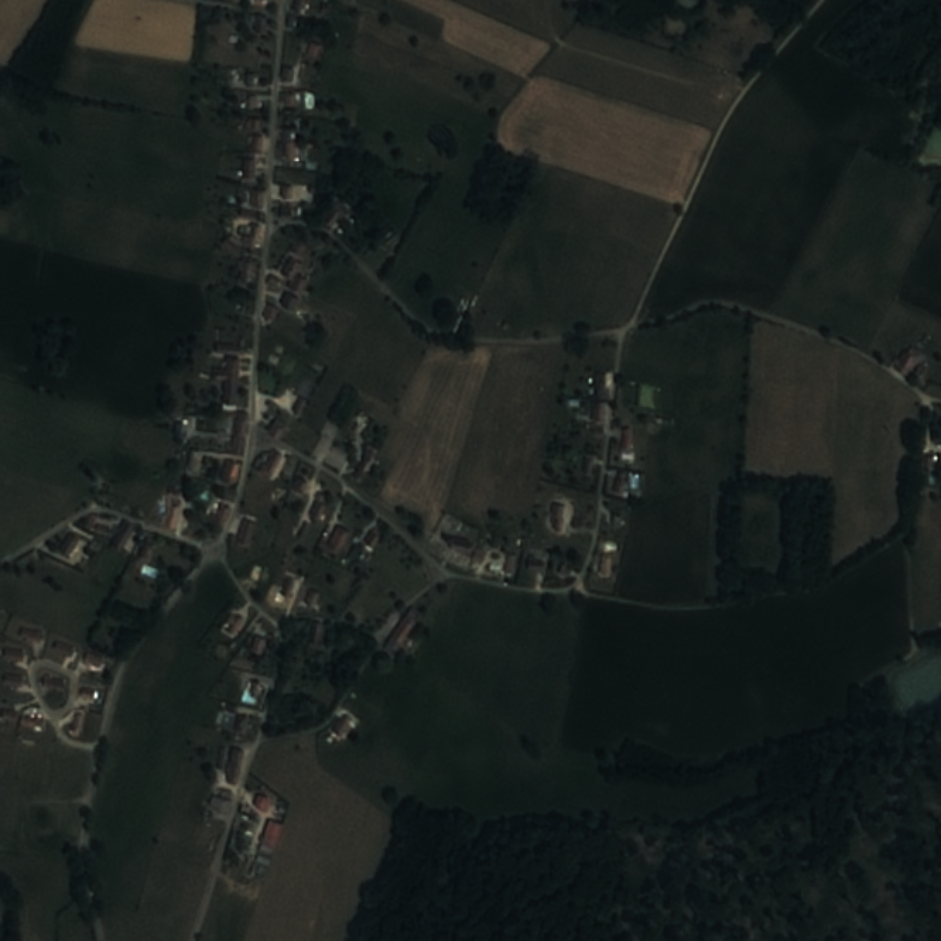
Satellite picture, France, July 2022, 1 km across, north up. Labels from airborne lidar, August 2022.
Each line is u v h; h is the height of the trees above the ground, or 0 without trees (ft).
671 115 0
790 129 0
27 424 0
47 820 0
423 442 0
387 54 0
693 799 0
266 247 0
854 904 74
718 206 0
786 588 55
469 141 0
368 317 0
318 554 18
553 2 0
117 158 0
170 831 0
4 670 0
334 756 0
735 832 76
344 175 55
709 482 0
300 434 0
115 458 0
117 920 0
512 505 0
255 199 0
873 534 0
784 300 0
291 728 19
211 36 0
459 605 0
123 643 65
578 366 0
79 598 0
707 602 22
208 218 0
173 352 31
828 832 57
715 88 0
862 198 0
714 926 82
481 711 0
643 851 74
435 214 0
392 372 0
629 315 0
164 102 0
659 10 23
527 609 0
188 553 24
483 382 0
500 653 0
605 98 0
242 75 0
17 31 0
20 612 0
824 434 0
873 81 37
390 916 93
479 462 0
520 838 74
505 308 0
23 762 0
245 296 43
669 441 0
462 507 0
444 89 0
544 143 0
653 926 83
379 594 0
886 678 43
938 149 0
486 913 74
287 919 0
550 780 0
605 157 0
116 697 0
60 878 0
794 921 76
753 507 0
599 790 0
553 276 0
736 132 0
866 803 67
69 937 0
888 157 35
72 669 0
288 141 0
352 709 0
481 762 0
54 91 34
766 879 75
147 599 0
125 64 0
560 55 0
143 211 0
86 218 0
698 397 0
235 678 0
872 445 0
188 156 0
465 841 22
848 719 26
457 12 0
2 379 0
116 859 0
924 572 0
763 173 0
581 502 0
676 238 0
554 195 0
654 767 41
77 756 0
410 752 0
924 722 60
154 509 0
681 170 0
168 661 0
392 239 0
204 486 0
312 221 48
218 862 0
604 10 54
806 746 51
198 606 0
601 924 68
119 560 0
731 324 0
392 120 0
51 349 65
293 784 0
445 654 0
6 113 0
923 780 0
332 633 34
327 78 0
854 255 0
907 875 78
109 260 0
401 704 0
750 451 0
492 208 78
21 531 0
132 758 0
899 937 0
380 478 22
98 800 0
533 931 71
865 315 0
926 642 45
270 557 0
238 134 0
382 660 54
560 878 89
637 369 0
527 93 0
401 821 61
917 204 0
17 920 51
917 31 43
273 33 21
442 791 0
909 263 0
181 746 0
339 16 0
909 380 37
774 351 0
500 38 0
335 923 0
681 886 77
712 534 0
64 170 0
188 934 0
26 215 0
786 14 36
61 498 0
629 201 0
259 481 0
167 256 0
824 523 56
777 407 0
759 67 52
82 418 0
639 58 0
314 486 0
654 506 0
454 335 41
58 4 37
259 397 0
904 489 62
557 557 28
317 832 0
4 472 0
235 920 0
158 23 0
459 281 0
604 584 0
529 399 0
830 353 0
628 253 0
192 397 21
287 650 44
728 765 40
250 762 0
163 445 0
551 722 0
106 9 0
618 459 18
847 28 28
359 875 0
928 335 0
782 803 55
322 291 0
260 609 0
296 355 0
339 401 33
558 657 0
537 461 0
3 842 0
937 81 0
